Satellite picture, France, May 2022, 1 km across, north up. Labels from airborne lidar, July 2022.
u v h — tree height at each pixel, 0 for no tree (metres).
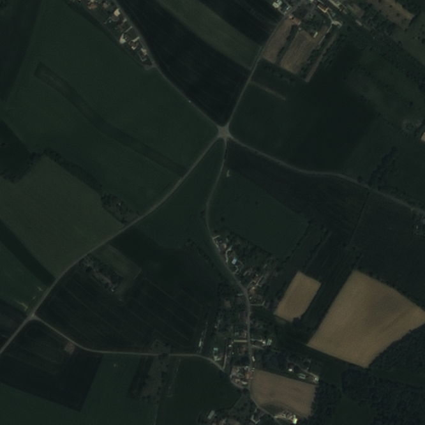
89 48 0
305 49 0
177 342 0
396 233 0
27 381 0
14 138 0
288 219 0
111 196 6
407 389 18
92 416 0
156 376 0
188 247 0
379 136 0
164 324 0
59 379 0
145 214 0
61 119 0
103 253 0
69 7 0
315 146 0
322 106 0
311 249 0
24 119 0
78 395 0
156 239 0
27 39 0
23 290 0
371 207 0
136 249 0
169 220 0
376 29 8
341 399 18
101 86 0
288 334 0
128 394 0
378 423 19
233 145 0
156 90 0
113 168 0
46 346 0
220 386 0
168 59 0
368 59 0
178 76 0
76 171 11
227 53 0
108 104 0
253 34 0
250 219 0
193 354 0
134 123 0
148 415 0
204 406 0
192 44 0
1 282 0
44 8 0
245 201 0
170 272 0
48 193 0
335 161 0
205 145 0
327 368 0
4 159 0
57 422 0
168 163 0
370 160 0
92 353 0
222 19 0
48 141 0
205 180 0
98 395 0
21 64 0
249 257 9
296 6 0
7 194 0
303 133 0
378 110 0
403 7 8
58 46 0
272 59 0
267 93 0
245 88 0
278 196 0
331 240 0
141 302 0
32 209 0
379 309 0
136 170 0
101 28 0
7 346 0
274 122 0
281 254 0
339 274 0
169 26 0
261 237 0
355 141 0
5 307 0
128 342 0
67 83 0
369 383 26
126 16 0
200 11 0
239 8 0
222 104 0
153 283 0
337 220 0
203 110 0
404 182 0
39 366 0
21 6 0
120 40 0
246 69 0
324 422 25
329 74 0
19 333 0
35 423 0
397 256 0
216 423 0
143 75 0
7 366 0
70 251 0
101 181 0
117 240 0
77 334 0
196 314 0
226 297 12
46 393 0
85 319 0
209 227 0
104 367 0
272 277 0
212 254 0
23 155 0
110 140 0
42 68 0
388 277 0
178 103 0
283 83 0
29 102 0
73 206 0
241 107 0
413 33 0
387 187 15
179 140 0
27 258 0
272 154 0
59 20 0
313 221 11
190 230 0
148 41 0
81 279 0
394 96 0
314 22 6
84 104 0
